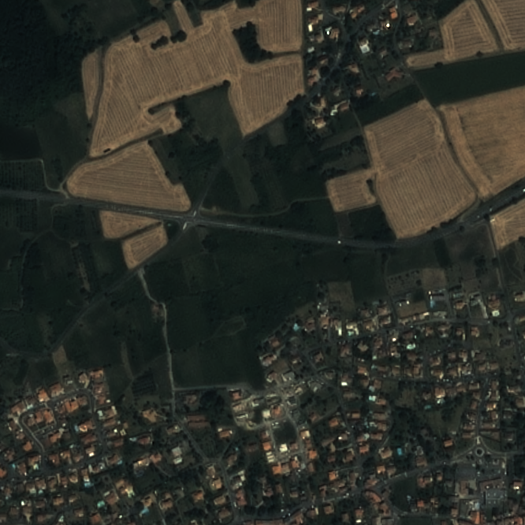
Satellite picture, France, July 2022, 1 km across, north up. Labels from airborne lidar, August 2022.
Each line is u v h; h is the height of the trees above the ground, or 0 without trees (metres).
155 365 0
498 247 0
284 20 0
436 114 0
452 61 0
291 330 7
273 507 12
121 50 0
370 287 0
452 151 0
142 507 9
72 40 19
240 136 0
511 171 0
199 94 0
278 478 0
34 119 6
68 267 0
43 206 0
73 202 0
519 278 0
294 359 0
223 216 0
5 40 11
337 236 0
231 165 0
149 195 0
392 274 0
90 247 7
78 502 0
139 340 6
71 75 9
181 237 0
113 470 6
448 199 0
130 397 0
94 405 0
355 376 6
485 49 0
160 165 0
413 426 6
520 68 0
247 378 0
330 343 0
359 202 0
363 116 0
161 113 0
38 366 0
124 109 0
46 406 0
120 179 0
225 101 0
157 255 0
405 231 0
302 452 0
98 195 0
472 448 0
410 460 8
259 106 0
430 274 0
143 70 0
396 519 0
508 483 0
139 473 0
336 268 0
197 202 0
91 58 0
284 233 0
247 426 0
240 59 0
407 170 0
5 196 0
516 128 0
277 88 0
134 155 0
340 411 10
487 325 0
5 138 0
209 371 0
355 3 7
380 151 0
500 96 0
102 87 0
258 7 0
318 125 0
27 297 9
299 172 0
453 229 0
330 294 0
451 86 0
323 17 0
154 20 8
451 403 8
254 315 9
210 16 0
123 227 0
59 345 0
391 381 0
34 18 6
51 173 0
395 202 0
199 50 0
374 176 0
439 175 0
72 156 0
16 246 0
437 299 0
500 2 0
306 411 0
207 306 7
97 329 0
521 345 0
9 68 11
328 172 6
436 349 0
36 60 16
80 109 0
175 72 0
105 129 0
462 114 0
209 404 14
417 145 0
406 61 0
